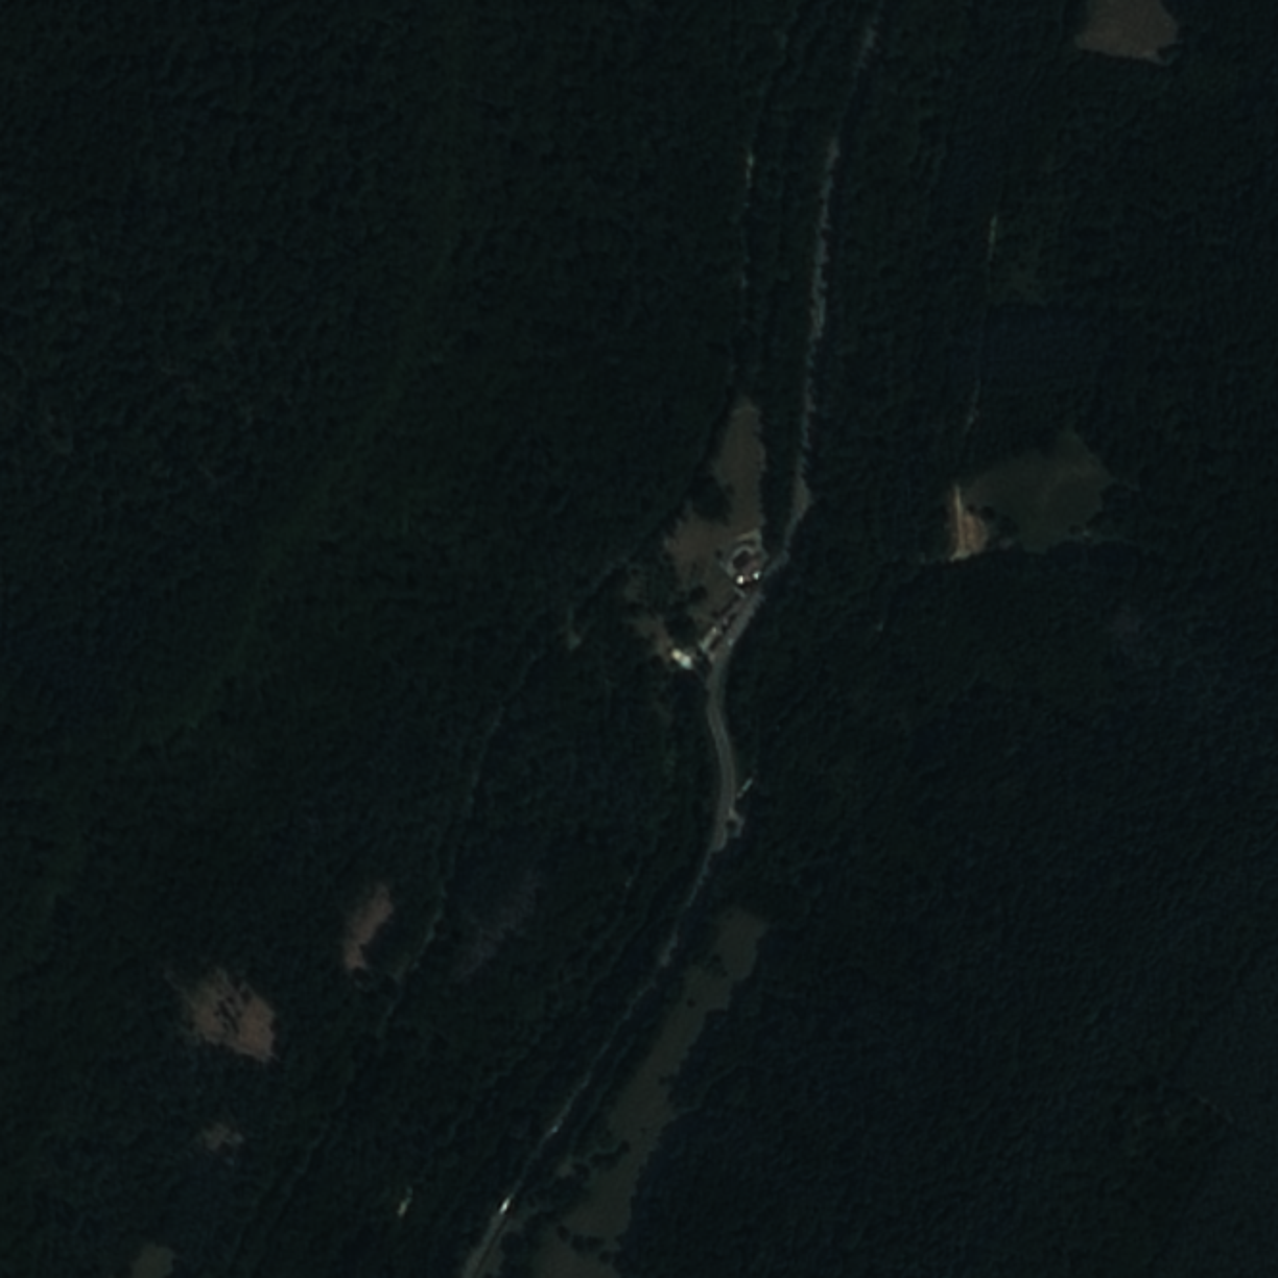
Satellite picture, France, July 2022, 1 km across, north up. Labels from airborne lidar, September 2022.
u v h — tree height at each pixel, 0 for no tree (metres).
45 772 25
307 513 18
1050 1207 9
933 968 27
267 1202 15
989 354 23
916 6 29
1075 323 24
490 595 23
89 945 28
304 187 19
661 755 24
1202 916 12
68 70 9
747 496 0
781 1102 24
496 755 20
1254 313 21
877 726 7
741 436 0
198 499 21
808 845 15
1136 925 23
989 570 8
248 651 22
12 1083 26
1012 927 25
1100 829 25
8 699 26
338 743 24
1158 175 20
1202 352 21
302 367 24
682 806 9
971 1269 10
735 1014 14
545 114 28
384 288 21
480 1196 12
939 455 13
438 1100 29
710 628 0
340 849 15
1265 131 16
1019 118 9
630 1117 0
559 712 23
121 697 18
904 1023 26
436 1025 23
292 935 22
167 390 22
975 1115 30
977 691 21
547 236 27
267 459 15
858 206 22
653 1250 23
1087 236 24
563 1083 15
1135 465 18
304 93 21
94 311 16
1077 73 9
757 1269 23
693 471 10
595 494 24
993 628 8
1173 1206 13
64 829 18
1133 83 11
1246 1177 18
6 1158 36
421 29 21
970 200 23
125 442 20
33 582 18
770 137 22
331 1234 24
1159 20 0
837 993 8
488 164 28
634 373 28
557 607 19
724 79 25
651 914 8
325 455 13
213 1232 9
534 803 16
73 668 25
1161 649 17
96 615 17
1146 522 24
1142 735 21
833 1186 22
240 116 22
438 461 24
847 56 23
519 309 29
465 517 25
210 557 14
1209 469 19
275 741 23
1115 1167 21
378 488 23
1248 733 27
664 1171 28
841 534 22
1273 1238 17
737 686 23
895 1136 29
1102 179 8
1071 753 22
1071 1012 26
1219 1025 18
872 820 11
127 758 25
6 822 20
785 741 14
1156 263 24
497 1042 22
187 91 22
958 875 26
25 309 22
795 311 25
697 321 27
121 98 20
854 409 26
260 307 22
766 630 20
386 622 20
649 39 21
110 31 12
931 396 21
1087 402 8
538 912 23
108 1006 25
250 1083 21
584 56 28
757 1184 24
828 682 12
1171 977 16
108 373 14
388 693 22
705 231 23
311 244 20
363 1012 11
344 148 17
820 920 11
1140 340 27
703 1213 26
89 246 23
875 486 19
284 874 28
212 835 23
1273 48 24
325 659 27
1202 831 26
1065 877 24
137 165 22
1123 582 26
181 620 16
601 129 28
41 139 17
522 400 29
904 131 37
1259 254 22
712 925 15
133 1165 22
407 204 16
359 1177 23
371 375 17
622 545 21
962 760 25
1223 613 22
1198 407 24
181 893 27
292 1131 22
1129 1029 14
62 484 17
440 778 22
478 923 17
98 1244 29
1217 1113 10
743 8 21
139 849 31
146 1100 26
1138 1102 8
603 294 20
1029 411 6
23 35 7
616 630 14
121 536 19
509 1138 18
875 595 22
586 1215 0
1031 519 0
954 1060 31
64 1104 29
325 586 26
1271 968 17
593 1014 16
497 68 26
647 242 27
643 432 25
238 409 18
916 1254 25
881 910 25
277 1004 25
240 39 25
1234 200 20
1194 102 8
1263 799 28
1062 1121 22
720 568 0
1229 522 24
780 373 21
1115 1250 17
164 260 19
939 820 26
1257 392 17
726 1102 23
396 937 25
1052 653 8
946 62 28
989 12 21
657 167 25
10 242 24
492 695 8
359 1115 25
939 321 19
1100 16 0
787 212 25
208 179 23
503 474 26
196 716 24
